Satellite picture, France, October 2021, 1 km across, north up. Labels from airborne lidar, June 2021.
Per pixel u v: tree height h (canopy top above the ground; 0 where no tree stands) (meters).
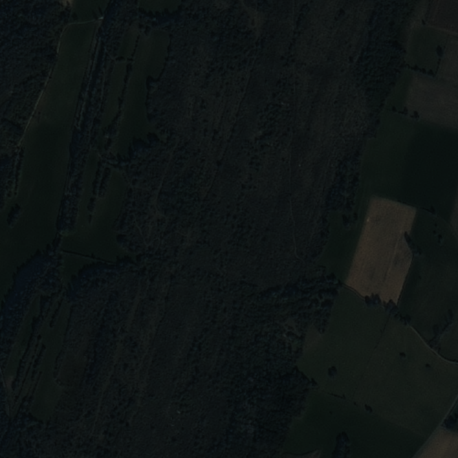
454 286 0
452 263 0
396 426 0
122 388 6
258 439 26
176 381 8
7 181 9
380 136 0
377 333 0
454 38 0
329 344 0
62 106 0
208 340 7
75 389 0
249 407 25
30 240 0
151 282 10
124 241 12
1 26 18
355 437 0
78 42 0
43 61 11
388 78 22
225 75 7
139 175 12
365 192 0
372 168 0
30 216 0
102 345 14
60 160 0
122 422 7
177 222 12
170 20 18
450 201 0
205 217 12
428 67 0
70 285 0
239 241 11
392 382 0
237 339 13
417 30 0
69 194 9
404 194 0
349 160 10
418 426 0
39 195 0
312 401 0
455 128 0
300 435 0
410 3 16
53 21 10
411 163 0
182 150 10
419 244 0
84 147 8
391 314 16
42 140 0
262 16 0
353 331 0
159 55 0
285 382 28
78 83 0
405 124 0
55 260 6
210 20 14
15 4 20
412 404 0
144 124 0
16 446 7
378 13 10
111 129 9
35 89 8
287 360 19
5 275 0
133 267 10
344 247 0
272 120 9
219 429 6
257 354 14
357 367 0
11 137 9
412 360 0
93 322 6
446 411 0
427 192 0
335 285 13
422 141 0
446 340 0
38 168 0
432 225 0
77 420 8
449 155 0
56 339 0
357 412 0
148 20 7
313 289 10
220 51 9
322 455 0
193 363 7
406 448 0
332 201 16
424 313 0
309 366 0
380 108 8
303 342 11
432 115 0
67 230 19
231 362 9
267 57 7
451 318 13
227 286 8
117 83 0
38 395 0
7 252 0
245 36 6
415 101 0
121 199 0
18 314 18
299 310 11
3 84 6
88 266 0
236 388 17
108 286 6
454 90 0
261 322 10
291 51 9
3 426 17
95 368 13
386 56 25
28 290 19
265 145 7
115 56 8
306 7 9
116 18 7
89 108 10
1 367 8
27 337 0
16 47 6
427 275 0
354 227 0
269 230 7
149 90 14
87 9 0
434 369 0
